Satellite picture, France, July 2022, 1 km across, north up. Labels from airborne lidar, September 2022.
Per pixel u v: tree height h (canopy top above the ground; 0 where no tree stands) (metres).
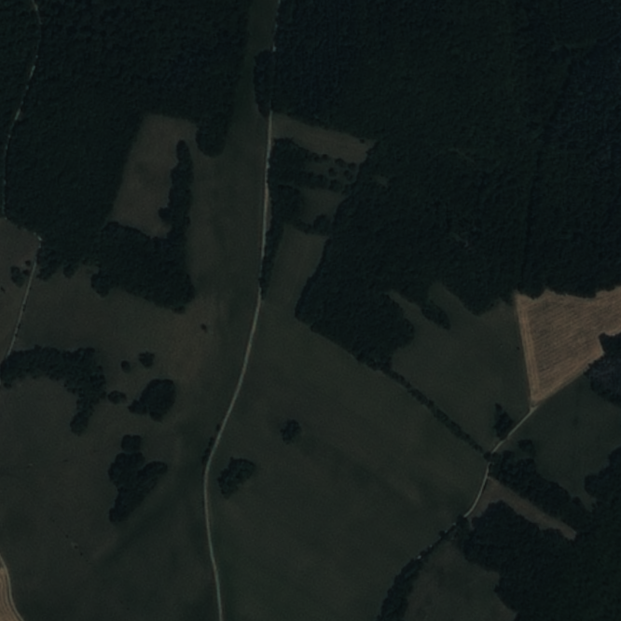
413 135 13
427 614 0
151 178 0
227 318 0
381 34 17
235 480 7
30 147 16
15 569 0
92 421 0
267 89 20
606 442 0
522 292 11
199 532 0
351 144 0
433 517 0
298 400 0
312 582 0
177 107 17
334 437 0
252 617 0
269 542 0
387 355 11
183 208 13
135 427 0
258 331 0
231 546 0
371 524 0
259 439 0
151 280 18
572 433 0
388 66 14
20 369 11
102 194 15
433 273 13
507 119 16
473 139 15
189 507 0
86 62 21
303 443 0
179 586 0
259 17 0
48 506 0
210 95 19
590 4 16
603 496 19
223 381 0
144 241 20
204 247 0
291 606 0
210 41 17
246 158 0
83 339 0
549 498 17
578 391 0
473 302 13
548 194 16
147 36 17
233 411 0
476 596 0
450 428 13
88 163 12
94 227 14
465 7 19
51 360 17
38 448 0
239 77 21
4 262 0
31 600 0
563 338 0
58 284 0
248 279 0
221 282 0
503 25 12
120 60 15
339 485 0
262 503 0
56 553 0
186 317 0
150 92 19
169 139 0
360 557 0
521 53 27
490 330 0
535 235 16
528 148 12
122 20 21
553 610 17
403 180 11
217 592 0
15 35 12
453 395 0
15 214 15
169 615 0
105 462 0
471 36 16
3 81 13
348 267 11
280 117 0
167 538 0
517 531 18
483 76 16
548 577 17
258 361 0
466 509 0
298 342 0
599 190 20
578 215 15
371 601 0
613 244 25
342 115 14
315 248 0
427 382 0
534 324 0
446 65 16
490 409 0
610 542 18
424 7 22
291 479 0
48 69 18
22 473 0
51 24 21
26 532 0
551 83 23
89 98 13
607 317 0
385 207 13
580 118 30
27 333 0
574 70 29
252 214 0
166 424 0
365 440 0
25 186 15
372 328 19
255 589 0
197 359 0
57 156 14
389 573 0
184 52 15
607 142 26
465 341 0
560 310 0
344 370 0
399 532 0
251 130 0
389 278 17
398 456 0
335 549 0
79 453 0
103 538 0
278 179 13
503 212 25
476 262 14
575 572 16
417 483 0
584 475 0
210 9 18
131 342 0
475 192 17
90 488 0
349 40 15
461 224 6
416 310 0
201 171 0
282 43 21
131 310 0
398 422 0
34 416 0
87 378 15
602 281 18
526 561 16
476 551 16
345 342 9
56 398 0
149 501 0
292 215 15
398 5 20
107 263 12
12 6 14
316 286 15
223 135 11
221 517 0
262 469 0
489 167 15
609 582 19
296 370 0
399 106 14
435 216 16
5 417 0
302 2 20
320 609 0
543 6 22
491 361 0
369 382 0
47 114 12
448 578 0
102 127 14
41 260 12
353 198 12
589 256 21
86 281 0
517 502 0
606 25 17
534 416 0
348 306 18
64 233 14
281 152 15
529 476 18
